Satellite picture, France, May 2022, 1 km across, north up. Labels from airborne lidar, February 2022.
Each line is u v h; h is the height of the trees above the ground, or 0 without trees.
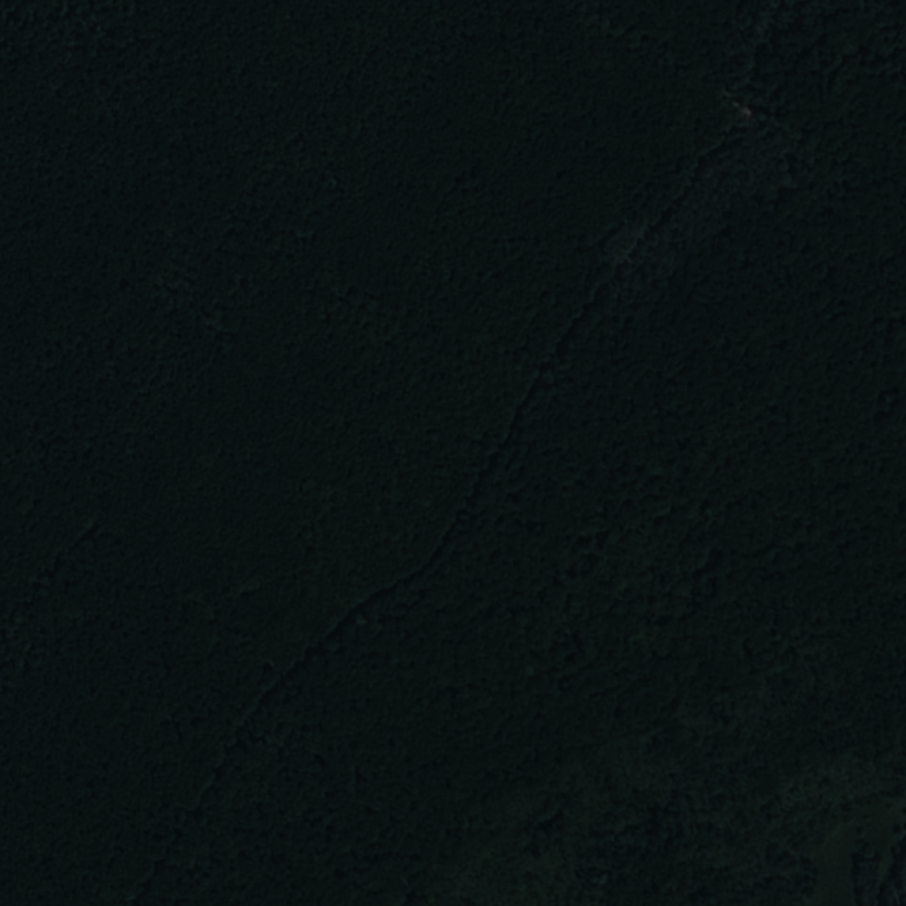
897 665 20
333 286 24
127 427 26
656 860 27
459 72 25
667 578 23
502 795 25
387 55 26
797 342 23
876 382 21
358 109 26
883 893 12
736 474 22
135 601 29
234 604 22
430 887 29
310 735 33
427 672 31
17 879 29
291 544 22
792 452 25
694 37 26
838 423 23
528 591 26
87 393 27
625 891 28
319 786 31
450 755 32
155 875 30
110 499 26
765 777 24
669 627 23
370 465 22
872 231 28
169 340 25
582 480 25
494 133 22
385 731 33
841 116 27
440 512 22
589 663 25
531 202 20
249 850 30
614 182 20
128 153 27
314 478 22
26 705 29
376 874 32
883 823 0
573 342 23
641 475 25
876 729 22
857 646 23
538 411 22
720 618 27
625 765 23
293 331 26
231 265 29
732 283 26
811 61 29
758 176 25
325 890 32
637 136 21
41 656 27
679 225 20
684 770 23
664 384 29
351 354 23
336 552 20
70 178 25
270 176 28
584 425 27
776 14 28
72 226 28
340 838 32
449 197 25
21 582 24
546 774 26
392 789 32
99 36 28
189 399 26
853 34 29
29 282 27
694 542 27
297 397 26
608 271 20
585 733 27
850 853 0
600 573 17
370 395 19
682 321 28
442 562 22
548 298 21
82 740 29
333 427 20
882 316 23
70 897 31
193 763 30
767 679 26
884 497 25
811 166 22
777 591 27
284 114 28
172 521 26
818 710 25
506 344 23
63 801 29
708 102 24
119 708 26
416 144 24
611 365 26
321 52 23
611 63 21
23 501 25
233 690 28
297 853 33
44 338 27
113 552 28
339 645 27
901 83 29
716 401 20
